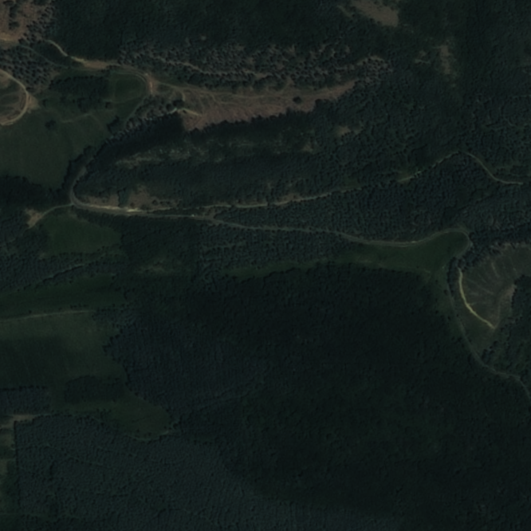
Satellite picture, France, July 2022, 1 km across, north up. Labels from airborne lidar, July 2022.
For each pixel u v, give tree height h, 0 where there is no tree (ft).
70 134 0
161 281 41
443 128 59
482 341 0
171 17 40
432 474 80
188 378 70
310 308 42
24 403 66
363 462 67
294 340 50
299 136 23
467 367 50
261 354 36
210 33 32
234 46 63
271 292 43
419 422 24
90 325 0
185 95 0
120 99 0
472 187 58
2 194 56
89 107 71
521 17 49
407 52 49
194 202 32
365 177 51
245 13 24
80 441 72
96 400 22
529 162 36
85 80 51
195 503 70
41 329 0
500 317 0
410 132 65
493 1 51
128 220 38
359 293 51
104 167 20
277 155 31
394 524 54
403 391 39
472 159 81
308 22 36
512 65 40
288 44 43
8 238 49
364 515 36
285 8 28
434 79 53
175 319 55
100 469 67
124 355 60
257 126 43
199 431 59
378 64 63
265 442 47
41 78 55
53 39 22
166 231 55
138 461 70
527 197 73
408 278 57
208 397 51
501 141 55
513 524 64
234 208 45
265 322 38
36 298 0
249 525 59
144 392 66
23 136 0
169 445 70
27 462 67
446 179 79
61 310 21
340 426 37
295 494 58
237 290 64
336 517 57
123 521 85
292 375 64
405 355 47
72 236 0
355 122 52
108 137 0
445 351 45
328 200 68
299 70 69
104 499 75
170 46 53
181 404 56
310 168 65
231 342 37
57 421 55
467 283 0
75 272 67
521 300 57
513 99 59
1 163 0
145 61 73
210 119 0
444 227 85
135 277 24
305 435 43
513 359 59
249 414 25
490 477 71
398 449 55
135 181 31
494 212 57
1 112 0
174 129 66
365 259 0
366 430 32
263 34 31
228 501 65
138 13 52
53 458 85
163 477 85
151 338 66
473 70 38
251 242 45
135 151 45
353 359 67
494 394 44
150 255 46
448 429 34
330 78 54
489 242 94
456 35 31
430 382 54
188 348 49
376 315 65
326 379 54
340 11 22
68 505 75
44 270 56
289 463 61
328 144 46
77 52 45
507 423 44
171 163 24
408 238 51
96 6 28
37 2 54
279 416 55
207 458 74
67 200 40
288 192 37
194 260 44
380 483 75
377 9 0
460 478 85
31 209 26
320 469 63
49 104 48
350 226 61
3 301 0
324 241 56
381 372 50
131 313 48
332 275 49
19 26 67
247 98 0
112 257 24
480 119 71
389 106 69
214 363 67
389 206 75
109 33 35
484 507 58
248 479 56
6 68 52
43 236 30
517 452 56
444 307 0
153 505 67
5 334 0
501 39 63
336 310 67
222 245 52
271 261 62
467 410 42
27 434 73
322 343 61
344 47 29
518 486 55
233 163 30
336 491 59
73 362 0
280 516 75
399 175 58
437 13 30
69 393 32
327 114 50
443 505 74
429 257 0
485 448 72
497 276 0
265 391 40
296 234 68
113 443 55
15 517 25
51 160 0
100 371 0
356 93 54
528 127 39
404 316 45
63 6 39
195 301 54
